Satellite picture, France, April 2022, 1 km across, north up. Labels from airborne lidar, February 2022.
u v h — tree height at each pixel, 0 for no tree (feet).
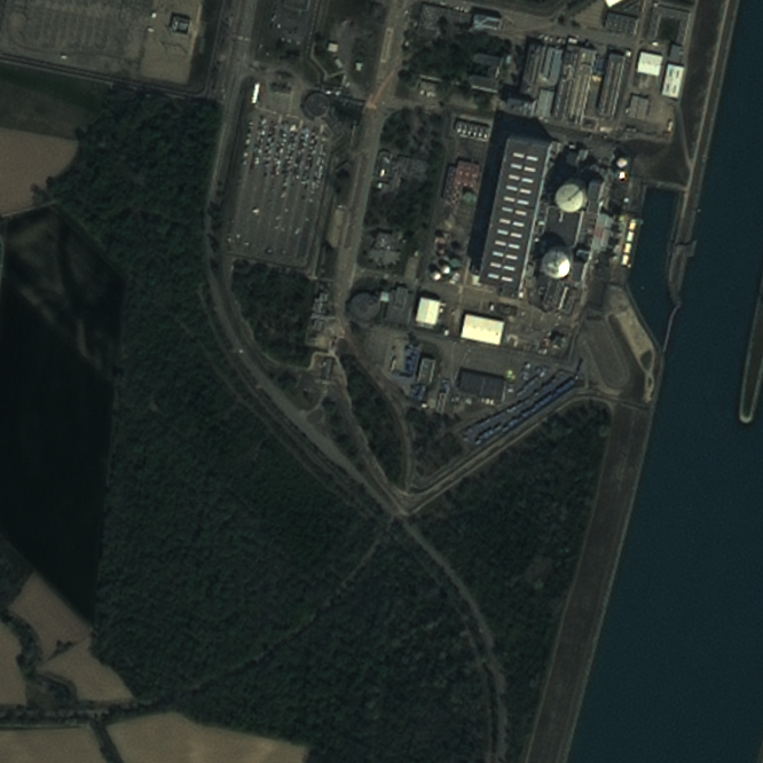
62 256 0
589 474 33
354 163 0
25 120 0
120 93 39
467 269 0
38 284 0
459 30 0
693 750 0
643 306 0
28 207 0
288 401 0
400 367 0
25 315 0
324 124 0
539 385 0
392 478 0
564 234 0
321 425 0
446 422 0
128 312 29
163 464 26
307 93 0
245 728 21
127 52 0
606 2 0
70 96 0
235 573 46
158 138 33
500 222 0
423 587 60
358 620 63
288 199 0
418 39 0
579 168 0
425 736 49
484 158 0
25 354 0
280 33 0
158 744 0
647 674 0
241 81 0
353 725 57
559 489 60
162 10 0
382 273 0
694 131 0
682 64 0
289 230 0
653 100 0
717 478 0
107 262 0
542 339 0
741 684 0
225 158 0
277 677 56
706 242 0
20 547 0
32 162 0
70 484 0
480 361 0
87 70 0
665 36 0
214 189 0
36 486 0
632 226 0
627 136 0
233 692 49
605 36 0
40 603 0
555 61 0
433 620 78
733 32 0
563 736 0
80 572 0
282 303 0
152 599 38
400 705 42
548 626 36
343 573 47
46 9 0
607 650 0
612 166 0
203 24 0
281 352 0
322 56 0
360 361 0
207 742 0
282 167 0
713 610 0
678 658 0
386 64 0
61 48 0
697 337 0
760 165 0
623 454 0
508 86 0
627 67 0
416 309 0
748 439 0
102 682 0
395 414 0
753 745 0
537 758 0
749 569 0
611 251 0
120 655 31
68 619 0
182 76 0
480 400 0
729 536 0
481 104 0
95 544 0
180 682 48
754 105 0
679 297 0
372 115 0
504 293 0
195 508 42
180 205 39
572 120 0
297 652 47
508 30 0
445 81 0
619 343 0
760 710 0
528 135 0
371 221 0
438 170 0
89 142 34
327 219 0
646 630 0
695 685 0
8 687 0
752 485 0
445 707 61
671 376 0
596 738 0
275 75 0
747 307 0
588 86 0
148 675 47
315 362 0
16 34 0
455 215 0
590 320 0
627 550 0
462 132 0
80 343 0
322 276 0
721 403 0
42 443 0
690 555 0
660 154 0
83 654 0
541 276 0
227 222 0
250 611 56
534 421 0
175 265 45
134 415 26
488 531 45
